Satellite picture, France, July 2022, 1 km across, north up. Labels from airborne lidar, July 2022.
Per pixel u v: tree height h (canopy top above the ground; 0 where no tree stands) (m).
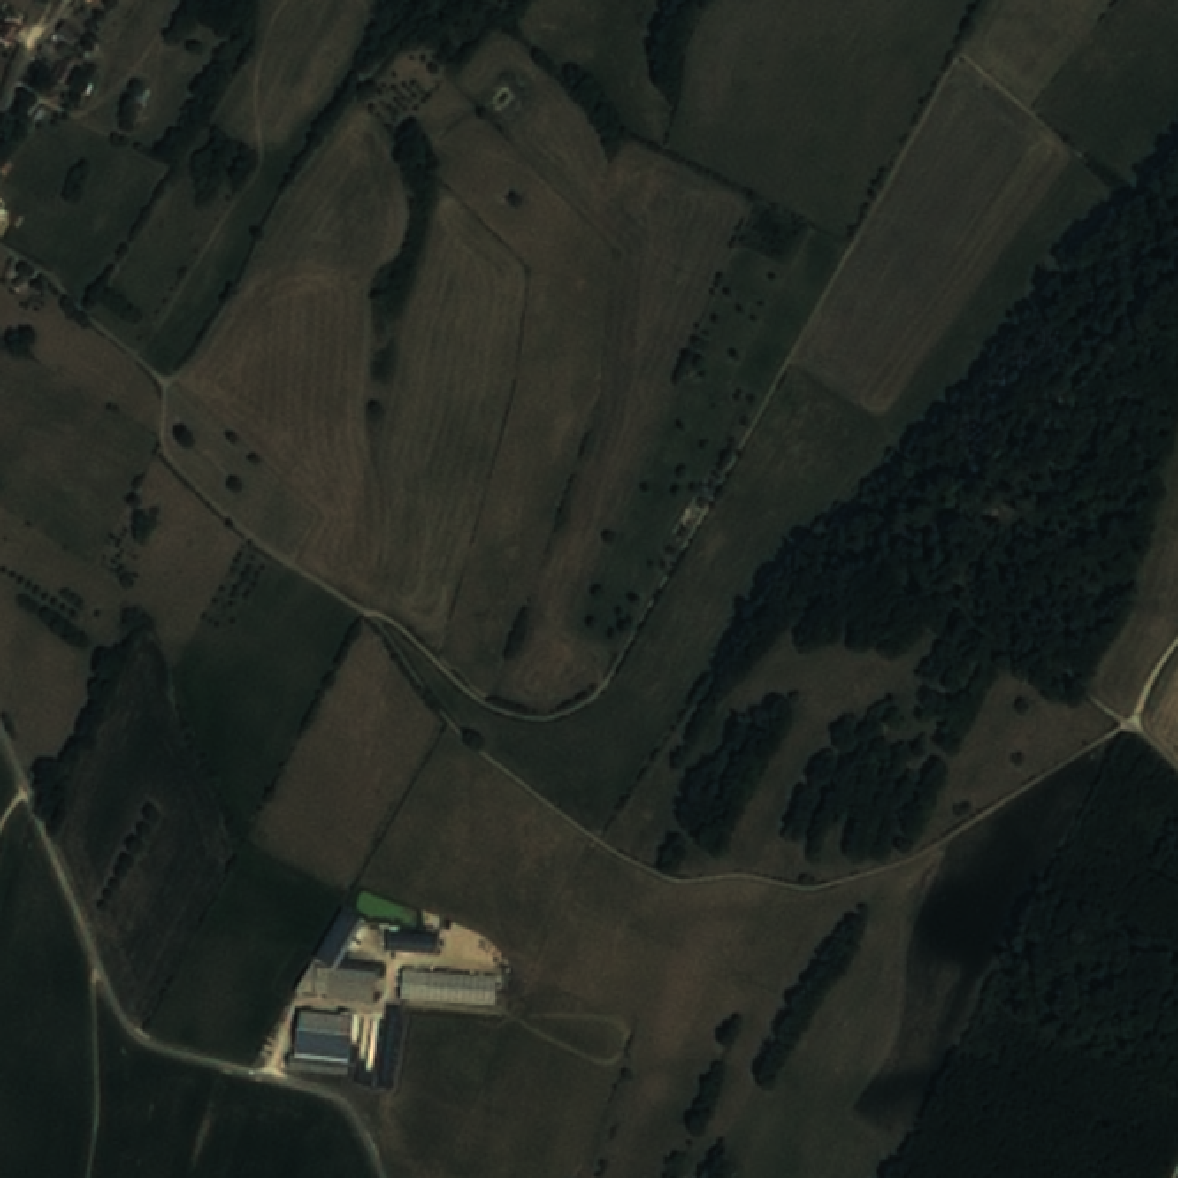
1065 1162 16
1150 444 26
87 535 0
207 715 0
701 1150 0
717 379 0
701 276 0
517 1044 0
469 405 0
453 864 0
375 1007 0
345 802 0
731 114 0
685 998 0
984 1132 16
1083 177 0
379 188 0
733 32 0
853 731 10
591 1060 0
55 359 0
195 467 0
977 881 0
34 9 0
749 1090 0
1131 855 7
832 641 7
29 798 0
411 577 0
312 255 0
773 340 0
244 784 0
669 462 0
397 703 0
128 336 0
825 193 0
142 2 0
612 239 0
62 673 0
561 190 0
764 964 0
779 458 0
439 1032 0
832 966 15
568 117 0
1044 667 20
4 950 0
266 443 0
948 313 0
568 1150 0
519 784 0
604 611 0
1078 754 0
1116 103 0
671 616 0
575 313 0
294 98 0
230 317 0
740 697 0
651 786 0
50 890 0
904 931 0
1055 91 0
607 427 0
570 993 0
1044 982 18
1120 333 23
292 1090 0
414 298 0
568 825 0
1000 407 27
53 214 0
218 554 0
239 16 21
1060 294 25
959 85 0
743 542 0
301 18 0
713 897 0
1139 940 27
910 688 0
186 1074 0
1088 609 22
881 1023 0
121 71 0
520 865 0
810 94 0
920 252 0
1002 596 22
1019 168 0
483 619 0
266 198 0
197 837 0
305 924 0
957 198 0
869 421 0
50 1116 0
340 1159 0
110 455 0
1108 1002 23
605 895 0
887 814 17
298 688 0
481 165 0
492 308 0
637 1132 0
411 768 0
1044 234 0
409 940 0
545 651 0
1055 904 20
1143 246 24
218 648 0
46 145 0
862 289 0
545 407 0
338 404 0
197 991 0
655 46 19
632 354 0
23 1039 0
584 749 0
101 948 0
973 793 0
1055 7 0
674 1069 0
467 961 0
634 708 0
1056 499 19
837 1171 0
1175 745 0
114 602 0
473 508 0
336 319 0
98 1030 0
